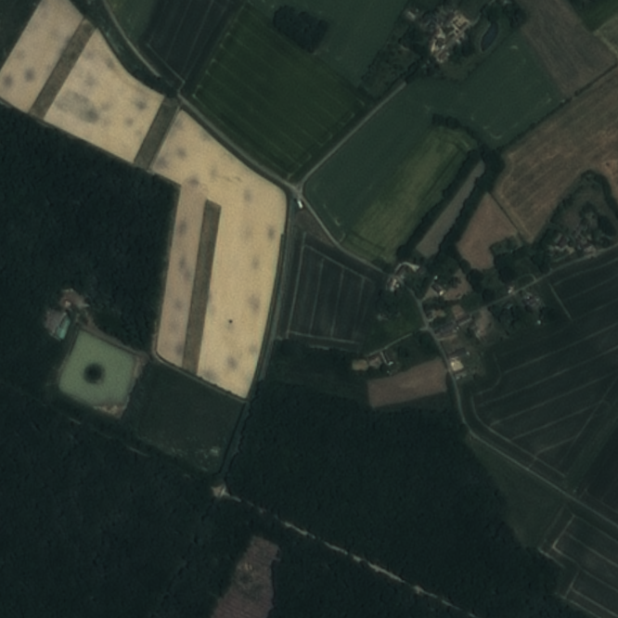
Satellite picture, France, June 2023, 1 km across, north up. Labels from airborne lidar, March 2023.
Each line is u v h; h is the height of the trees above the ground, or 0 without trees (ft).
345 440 77
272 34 0
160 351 0
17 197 82
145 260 86
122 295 92
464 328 0
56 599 89
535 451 0
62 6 0
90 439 81
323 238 0
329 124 0
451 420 62
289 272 0
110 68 0
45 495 97
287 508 66
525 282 0
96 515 96
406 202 0
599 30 0
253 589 0
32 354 72
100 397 0
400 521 86
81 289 72
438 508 93
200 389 0
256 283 0
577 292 0
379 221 0
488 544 98
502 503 79
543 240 30
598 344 0
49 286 78
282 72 0
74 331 0
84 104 0
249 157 0
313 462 73
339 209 0
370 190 0
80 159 85
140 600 94
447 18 22
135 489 89
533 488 0
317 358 52
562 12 0
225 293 0
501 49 0
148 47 0
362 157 0
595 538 0
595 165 0
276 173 0
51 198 82
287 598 73
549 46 0
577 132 0
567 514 0
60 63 0
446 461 97
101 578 93
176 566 87
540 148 0
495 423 0
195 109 0
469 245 0
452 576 97
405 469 87
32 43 0
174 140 0
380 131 0
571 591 0
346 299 0
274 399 76
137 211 57
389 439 89
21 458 91
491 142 0
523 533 0
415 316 0
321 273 0
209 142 0
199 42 0
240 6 0
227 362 0
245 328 0
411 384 0
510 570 96
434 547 90
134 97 0
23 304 69
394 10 0
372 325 0
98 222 81
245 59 0
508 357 0
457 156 0
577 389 0
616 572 0
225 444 0
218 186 0
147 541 97
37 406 86
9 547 95
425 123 0
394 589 89
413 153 0
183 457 0
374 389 0
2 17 0
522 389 0
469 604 90
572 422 0
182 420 0
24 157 72
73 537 103
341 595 89
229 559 82
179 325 0
